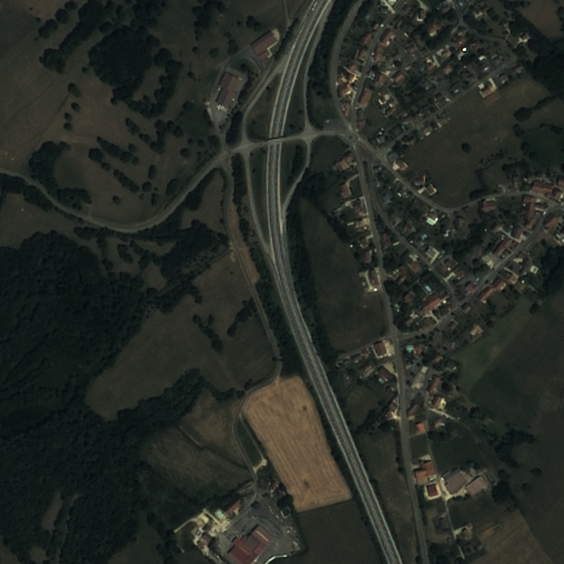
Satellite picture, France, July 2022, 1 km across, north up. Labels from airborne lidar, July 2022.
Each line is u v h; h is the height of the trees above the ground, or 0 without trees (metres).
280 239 0
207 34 0
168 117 0
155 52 0
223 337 0
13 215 0
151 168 9
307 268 10
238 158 10
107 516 18
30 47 0
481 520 0
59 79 0
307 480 0
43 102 0
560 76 12
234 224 0
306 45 0
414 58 0
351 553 0
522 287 0
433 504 0
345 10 14
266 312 6
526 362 0
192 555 0
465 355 0
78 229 13
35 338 13
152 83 0
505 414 0
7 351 17
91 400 0
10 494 19
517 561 0
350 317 0
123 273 9
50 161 18
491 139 0
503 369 0
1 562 0
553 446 0
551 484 0
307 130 0
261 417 0
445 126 0
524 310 0
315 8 0
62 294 23
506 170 15
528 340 0
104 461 21
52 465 16
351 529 0
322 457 0
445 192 0
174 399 9
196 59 0
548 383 0
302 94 0
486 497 0
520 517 0
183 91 0
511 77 13
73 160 0
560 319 0
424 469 0
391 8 0
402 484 0
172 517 0
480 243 6
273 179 0
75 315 14
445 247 12
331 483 0
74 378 15
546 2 0
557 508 0
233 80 0
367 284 0
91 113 0
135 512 19
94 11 22
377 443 0
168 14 0
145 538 0
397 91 6
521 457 0
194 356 0
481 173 8
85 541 14
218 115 0
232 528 0
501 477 11
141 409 12
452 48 7
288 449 0
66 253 17
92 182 0
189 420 0
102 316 15
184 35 0
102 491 17
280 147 0
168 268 18
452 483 0
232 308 0
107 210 0
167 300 14
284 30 0
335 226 17
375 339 0
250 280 0
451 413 0
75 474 17
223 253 0
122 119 0
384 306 0
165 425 17
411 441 0
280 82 0
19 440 19
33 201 12
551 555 0
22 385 12
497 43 8
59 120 0
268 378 0
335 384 6
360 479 0
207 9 16
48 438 20
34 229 0
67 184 0
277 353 0
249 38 0
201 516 0
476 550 8
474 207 0
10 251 15
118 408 0
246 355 0
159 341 0
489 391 0
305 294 12
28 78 0
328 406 0
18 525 18
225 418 0
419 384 0
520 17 14
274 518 0
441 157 0
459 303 0
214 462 0
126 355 0
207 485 0
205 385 9
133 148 15
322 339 10
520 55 9
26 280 17
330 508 0
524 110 16
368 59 0
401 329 17
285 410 0
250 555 0
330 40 12
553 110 0
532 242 0
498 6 0
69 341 16
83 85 0
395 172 0
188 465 0
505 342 0
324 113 0
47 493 18
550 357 0
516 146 0
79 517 15
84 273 21
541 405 0
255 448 0
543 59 21
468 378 0
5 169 0
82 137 0
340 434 0
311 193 13
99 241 11
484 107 0
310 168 6
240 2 0
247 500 0
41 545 12
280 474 0
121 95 18
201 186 9
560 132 14
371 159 0
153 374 0
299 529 0
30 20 0
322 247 0
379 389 0
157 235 10
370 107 0
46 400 16
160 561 0
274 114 0
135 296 18
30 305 16
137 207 0
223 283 0
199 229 16
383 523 0
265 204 0
